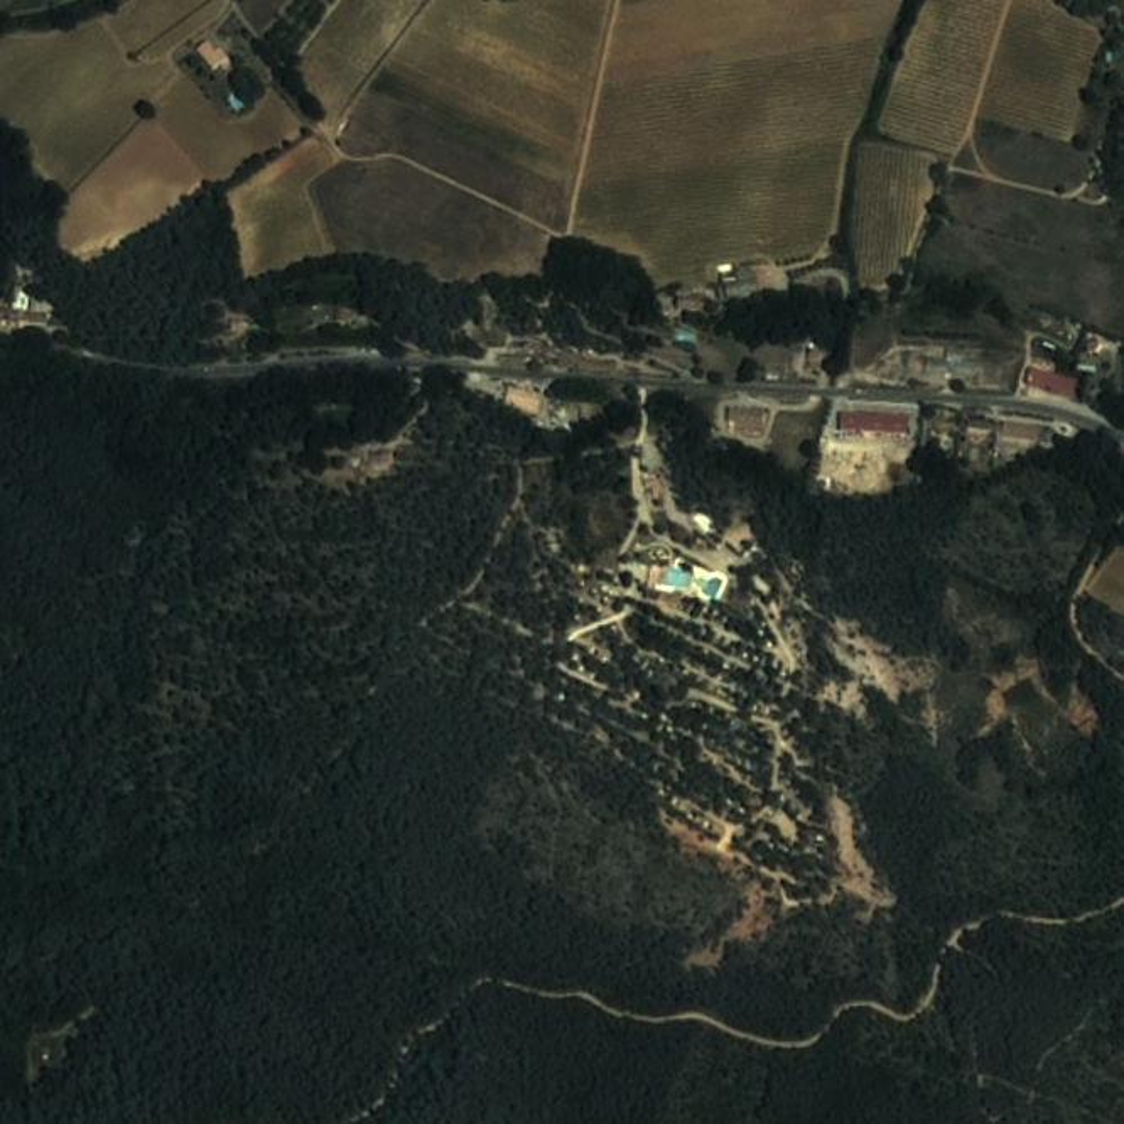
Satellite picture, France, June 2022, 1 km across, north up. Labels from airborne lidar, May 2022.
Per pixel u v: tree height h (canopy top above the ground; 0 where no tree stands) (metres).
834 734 11
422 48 0
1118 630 9
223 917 9
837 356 18
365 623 7
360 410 15
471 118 0
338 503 14
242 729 14
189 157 0
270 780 25
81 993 19
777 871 13
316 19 7
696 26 0
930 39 0
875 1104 17
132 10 0
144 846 20
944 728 0
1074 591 11
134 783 20
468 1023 19
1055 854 16
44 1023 14
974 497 13
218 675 22
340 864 21
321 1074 24
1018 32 0
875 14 0
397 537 12
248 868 20
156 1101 19
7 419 14
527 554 12
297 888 17
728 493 11
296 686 14
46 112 0
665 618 13
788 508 16
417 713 13
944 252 0
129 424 16
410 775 16
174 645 13
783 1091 12
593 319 14
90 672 20
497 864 15
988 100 0
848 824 0
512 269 0
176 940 20
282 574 23
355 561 20
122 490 15
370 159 0
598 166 0
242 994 17
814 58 0
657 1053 16
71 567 15
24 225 20
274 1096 19
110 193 0
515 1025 14
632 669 16
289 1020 19
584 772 10
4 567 15
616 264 28
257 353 16
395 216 0
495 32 0
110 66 0
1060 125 0
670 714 10
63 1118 13
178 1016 15
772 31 0
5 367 16
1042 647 15
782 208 0
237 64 11
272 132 0
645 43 0
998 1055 12
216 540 16
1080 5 17
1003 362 0
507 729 13
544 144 0
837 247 11
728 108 0
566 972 18
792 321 22
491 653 13
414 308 20
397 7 0
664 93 0
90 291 16
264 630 20
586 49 0
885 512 18
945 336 9
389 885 19
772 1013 19
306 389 21
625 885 0
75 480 13
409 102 0
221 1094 14
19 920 22
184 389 16
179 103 0
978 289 13
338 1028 20
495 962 14
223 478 17
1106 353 0
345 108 0
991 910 17
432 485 15
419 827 16
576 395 23
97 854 23
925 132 0
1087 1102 9
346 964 19
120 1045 20
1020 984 14
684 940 10
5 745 21
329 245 0
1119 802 10
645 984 16
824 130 0
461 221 0
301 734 16
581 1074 17
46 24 12
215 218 10
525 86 0
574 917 15
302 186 0
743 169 0
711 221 0
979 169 0
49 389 16
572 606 12
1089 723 0
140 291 19
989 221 0
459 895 8
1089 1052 6
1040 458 14
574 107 0
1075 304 0
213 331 26
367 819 20
